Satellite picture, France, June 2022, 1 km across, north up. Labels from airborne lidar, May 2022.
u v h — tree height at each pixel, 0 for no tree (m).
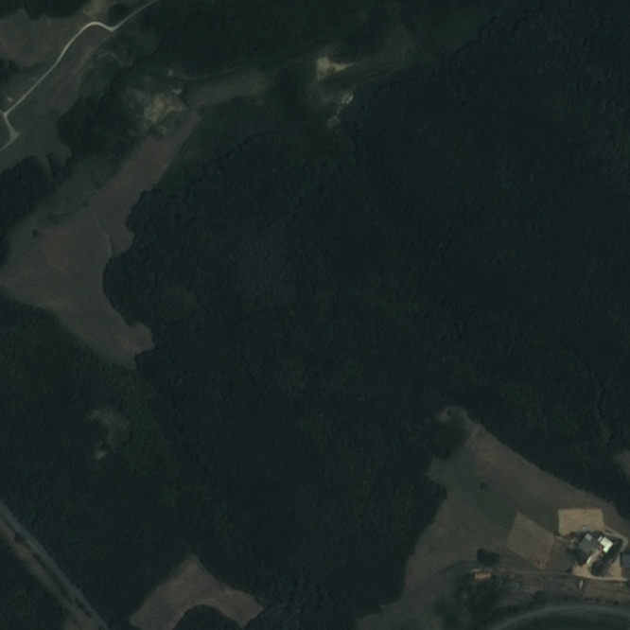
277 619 11
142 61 6
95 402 14
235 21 10
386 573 12
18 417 16
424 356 15
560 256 12
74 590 0
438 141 12
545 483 0
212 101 0
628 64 18
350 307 17
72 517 13
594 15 20
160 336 17
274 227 24
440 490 13
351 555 15
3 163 0
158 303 23
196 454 17
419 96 21
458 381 11
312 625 14
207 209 22
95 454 18
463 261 19
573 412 17
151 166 0
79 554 19
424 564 0
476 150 21
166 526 12
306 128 6
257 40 6
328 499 13
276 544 17
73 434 18
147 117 0
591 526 0
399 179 25
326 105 0
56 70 0
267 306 17
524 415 13
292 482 15
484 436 0
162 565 12
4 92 0
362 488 21
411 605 0
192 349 20
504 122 21
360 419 26
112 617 15
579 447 12
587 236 15
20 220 11
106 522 12
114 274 18
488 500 0
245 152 23
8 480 15
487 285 19
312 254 19
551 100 13
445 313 21
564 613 0
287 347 28
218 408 13
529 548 0
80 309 0
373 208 24
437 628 0
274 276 22
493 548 0
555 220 18
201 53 7
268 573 15
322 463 19
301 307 21
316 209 31
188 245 25
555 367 23
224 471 16
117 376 19
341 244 24
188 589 0
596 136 20
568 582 0
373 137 19
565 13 19
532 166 19
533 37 24
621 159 19
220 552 21
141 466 15
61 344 13
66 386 10
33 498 18
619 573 0
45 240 0
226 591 0
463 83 19
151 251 27
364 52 8
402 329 17
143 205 13
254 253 23
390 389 16
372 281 15
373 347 16
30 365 18
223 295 19
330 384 19
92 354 19
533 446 12
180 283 20
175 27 8
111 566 20
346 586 17
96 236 0
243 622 0
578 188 12
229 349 13
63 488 13
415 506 12
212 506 22
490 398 16
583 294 17
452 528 0
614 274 19
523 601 0
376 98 15
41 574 0
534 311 19
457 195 20
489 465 0
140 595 15
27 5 14
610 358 19
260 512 21
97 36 0
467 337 24
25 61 0
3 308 25
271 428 11
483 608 0
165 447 16
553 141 16
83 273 0
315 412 19
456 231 13
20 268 0
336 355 21
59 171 19
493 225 15
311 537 15
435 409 12
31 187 17
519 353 28
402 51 0
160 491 18
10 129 0
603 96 21
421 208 25
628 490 13
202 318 17
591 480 13
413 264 22
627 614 0
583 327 18
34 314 16
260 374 18
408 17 6
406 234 18
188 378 13
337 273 15
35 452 19
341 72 0
